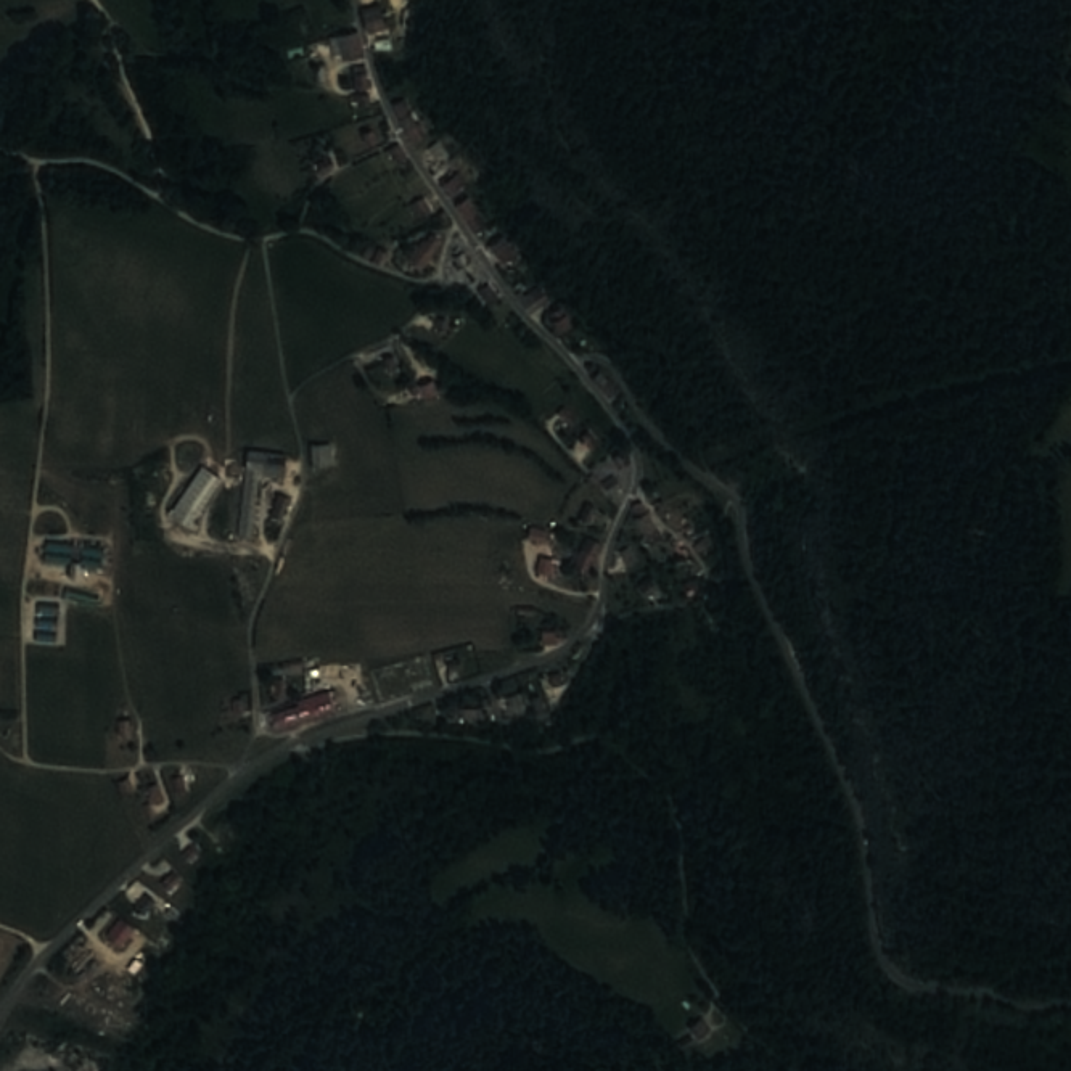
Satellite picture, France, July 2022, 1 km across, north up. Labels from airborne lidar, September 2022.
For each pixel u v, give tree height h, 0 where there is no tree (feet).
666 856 49
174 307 0
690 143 68
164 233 0
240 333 0
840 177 62
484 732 31
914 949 42
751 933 62
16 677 0
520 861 0
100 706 0
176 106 24
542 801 68
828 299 45
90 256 0
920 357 72
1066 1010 40
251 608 0
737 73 35
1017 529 56
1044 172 49
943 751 71
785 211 63
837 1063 82
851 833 50
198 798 0
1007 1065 58
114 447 0
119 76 28
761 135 73
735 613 59
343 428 0
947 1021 49
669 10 58
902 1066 21
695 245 42
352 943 61
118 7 0
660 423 32
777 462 23
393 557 0
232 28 23
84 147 76
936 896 25
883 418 65
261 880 45
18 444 0
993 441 53
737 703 20
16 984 0
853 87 45
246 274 0
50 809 0
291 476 0
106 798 0
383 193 0
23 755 0
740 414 37
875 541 46
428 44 57
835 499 23
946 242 62
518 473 0
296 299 0
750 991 57
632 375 57
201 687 0
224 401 0
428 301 55
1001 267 70
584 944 0
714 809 77
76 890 0
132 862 0
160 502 0
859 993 38
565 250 66
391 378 0
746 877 79
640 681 38
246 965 45
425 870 25
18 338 22
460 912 59
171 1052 34
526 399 40
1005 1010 45
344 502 0
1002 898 78
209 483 0
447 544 0
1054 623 52
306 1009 75
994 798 40
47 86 34
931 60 22
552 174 31
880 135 38
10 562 0
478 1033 81
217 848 0
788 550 45
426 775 66
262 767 0
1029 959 60
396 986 77
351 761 47
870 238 59
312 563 0
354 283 0
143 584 0
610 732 78
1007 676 67
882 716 59
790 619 38
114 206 66
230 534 0
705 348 22
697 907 18
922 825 64
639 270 44
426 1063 83
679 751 76
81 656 0
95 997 0
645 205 20
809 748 32
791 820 20
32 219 62
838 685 34
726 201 54
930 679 71
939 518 60
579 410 0
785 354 23
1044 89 70
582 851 40
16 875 0
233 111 0
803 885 43
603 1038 91
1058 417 49
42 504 0
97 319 0
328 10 0
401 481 0
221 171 79
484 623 0
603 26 57
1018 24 102
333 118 0
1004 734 58
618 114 54
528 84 31
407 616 0
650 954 0
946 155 95
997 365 46
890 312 50
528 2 21
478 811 68
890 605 45
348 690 0
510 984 88
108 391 0
